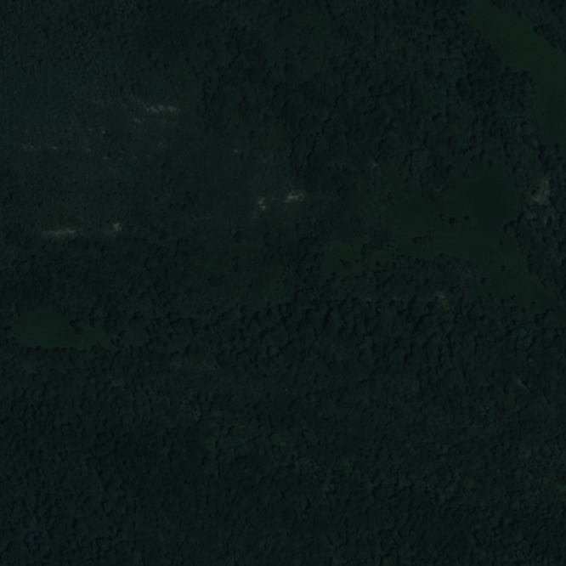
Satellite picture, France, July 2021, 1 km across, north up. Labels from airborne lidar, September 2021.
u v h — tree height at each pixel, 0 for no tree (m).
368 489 34
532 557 28
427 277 9
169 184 11
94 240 8
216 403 21
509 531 30
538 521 27
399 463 20
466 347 26
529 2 13
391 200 14
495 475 10
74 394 14
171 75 9
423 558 20
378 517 24
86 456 10
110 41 8
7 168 6
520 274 0
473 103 16
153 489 27
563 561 21
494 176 0
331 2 18
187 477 27
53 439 9
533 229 23
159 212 5
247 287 11
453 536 27
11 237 18
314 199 7
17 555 32
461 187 0
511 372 28
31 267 22
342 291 13
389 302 11
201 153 6
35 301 30
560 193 11
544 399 22
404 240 0
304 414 27
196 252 11
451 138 27
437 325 27
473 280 6
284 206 9
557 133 0
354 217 9
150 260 20
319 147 25
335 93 20
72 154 9
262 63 11
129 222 6
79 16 8
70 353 21
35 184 8
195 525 27
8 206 13
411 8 18
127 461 24
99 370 22
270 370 7
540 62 0
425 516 26
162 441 21
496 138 18
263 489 28
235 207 6
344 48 8
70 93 6
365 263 14
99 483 8
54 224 6
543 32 21
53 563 20
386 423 12
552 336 19
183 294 10
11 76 6
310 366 11
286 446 16
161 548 23
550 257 31
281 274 12
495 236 0
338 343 11
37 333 0
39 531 8
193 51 7
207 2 9
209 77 9
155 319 12
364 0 9
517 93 12
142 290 14
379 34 25
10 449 6
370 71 26
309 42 10
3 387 18
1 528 29
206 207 6
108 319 14
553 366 28
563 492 26
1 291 14
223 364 16
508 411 21
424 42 12
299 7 17
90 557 20
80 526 23
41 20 6
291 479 29
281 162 7
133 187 6
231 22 13
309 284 33
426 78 23
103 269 8
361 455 9
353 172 19
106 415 13
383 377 11
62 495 13
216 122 18
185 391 13
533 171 10
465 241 0
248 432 21
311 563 26
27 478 9
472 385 17
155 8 16
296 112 31
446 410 15
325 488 25
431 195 10
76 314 21
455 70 11
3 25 8
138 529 20
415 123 12
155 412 23
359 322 34
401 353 25
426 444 12
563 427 19
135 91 12
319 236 11
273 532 23
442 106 13
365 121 28
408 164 14
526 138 21
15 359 14
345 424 15
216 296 13
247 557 28
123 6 9
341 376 9
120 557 23
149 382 8
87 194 8
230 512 26
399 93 26
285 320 12
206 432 30
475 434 7
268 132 7
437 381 18
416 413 12
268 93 11
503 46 0
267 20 11
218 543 23
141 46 9
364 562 22
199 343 12
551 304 0
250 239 9
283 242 20
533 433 19
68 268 10
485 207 0
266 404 11
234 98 9
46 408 24
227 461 23
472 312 21
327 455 14
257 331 22
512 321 11
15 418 15
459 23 22
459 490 14
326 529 27
